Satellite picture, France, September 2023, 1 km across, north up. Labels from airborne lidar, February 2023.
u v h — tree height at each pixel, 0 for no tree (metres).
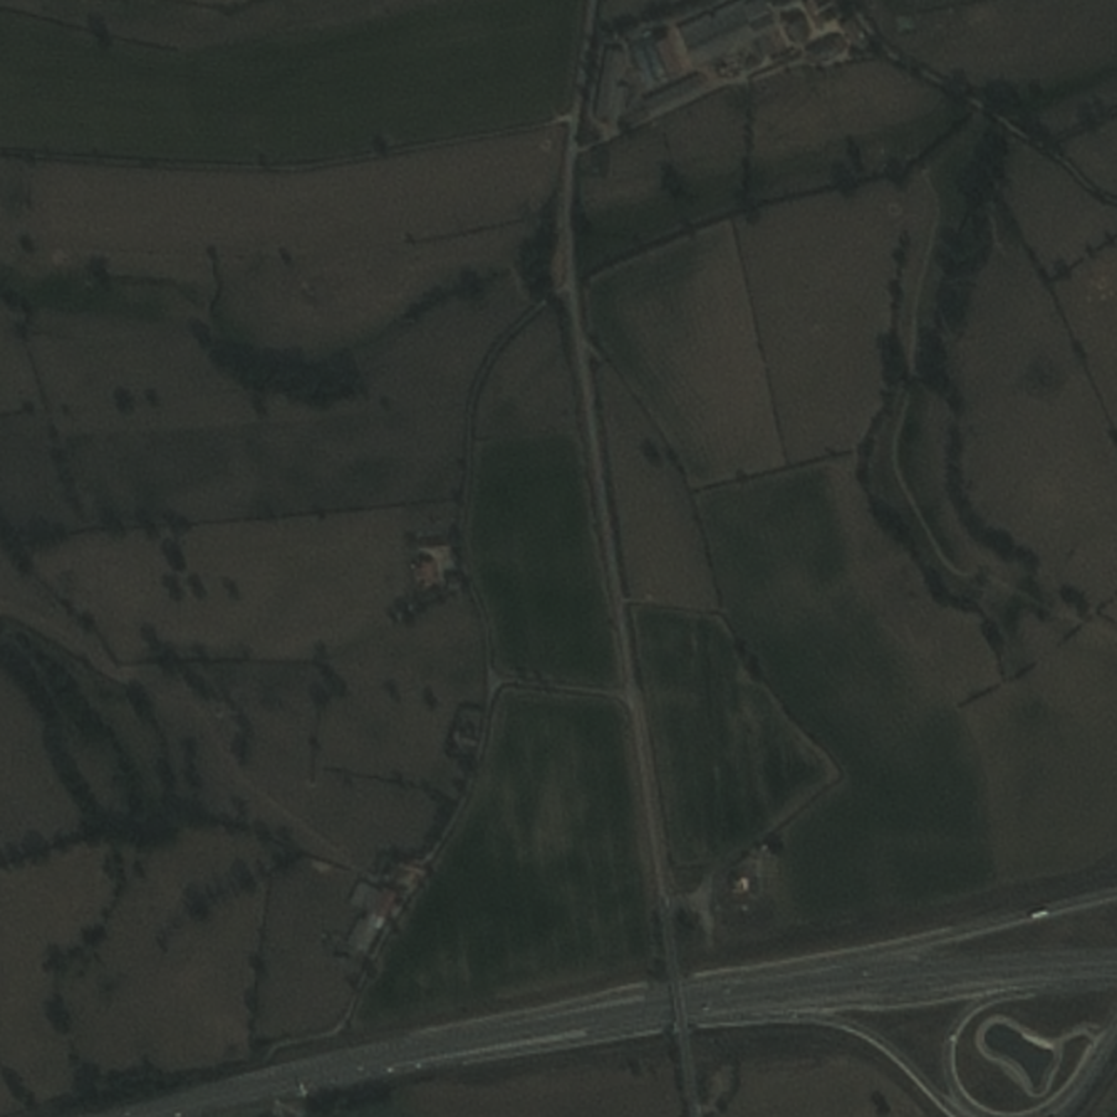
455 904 0
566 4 0
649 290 0
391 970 0
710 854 0
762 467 0
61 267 0
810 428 0
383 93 0
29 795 0
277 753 0
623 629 0
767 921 0
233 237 0
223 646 0
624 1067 8
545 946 0
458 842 0
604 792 0
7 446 0
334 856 0
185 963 0
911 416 0
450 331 0
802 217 0
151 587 0
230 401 0
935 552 0
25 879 0
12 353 0
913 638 0
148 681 0
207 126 0
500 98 0
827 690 0
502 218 0
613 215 0
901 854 0
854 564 0
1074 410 0
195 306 0
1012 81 0
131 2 0
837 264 0
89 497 0
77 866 0
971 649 0
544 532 0
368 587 0
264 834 16
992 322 0
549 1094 0
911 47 0
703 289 0
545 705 0
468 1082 0
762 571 0
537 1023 0
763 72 0
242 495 0
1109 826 0
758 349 7
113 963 0
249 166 0
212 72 0
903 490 0
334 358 0
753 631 0
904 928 0
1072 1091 0
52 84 0
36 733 0
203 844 0
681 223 0
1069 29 0
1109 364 0
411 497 0
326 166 0
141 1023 0
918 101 0
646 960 0
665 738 0
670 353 0
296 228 0
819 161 0
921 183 0
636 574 0
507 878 0
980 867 0
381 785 0
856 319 0
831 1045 0
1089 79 0
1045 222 0
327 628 0
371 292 0
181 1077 9
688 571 0
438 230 0
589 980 0
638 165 0
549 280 13
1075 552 0
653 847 0
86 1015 0
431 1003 0
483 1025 0
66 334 0
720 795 0
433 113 0
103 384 0
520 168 0
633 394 0
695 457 0
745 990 0
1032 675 0
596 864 0
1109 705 0
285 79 0
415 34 0
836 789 0
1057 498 0
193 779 9
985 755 0
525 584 0
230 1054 0
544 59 0
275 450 0
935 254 0
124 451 0
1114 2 0
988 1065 0
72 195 0
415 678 0
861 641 0
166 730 0
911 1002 0
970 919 0
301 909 0
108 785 0
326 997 0
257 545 0
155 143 0
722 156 0
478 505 0
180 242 0
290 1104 0
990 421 0
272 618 0
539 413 0
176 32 0
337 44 0
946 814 0
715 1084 0
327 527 0
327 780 0
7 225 0
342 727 0
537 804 0
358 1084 0
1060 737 0
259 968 12
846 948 0
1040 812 0
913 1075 0
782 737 0
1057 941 0
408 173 0
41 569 0
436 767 0
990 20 0
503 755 0
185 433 0
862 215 0
